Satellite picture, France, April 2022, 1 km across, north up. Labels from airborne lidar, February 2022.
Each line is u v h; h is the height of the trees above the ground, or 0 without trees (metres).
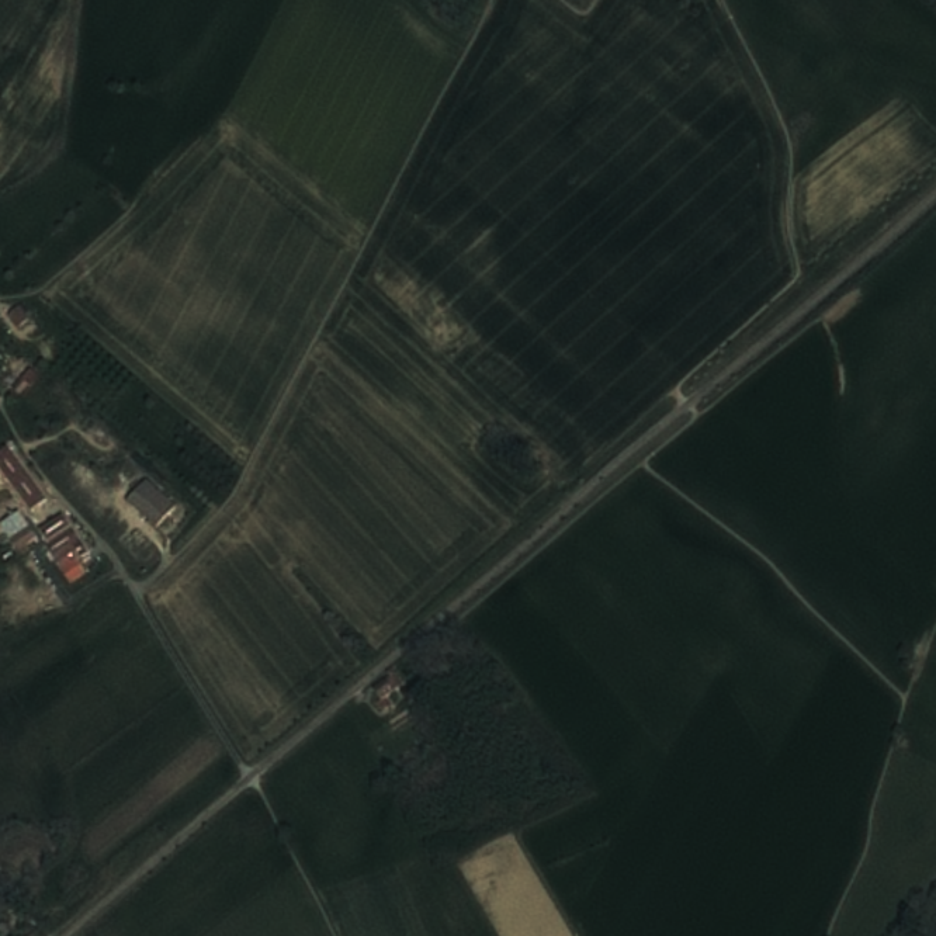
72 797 0
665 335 0
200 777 0
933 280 0
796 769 0
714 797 0
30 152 0
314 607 0
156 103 0
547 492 0
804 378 0
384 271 0
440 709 16
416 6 0
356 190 0
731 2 0
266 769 0
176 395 0
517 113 0
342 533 0
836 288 0
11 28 0
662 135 0
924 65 0
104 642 0
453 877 0
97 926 0
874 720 0
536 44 0
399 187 0
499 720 16
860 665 0
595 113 0
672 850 0
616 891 0
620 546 0
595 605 0
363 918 0
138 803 0
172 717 0
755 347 0
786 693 0
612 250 0
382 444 0
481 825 7
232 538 0
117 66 0
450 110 0
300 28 0
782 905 0
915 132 0
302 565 0
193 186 0
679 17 0
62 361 7
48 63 0
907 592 0
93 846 0
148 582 0
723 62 0
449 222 0
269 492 0
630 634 0
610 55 0
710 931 0
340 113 0
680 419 0
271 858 0
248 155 0
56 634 0
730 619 0
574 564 0
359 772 0
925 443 0
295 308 0
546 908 0
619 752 0
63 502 0
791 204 0
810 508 0
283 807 0
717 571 0
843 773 0
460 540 0
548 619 0
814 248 0
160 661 0
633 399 0
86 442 0
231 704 0
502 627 0
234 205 0
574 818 0
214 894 0
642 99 0
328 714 0
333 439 0
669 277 0
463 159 0
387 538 0
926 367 0
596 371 0
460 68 0
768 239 0
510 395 0
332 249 0
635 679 0
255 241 0
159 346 0
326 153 0
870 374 0
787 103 0
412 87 0
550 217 0
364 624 0
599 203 0
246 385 0
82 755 0
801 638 0
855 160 0
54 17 0
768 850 0
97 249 0
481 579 0
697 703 0
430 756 23
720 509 0
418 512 0
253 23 0
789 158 0
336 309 0
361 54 0
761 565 0
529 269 0
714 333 0
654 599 0
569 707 0
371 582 0
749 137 0
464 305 0
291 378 0
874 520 0
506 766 16
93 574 0
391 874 0
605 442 0
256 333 0
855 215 0
